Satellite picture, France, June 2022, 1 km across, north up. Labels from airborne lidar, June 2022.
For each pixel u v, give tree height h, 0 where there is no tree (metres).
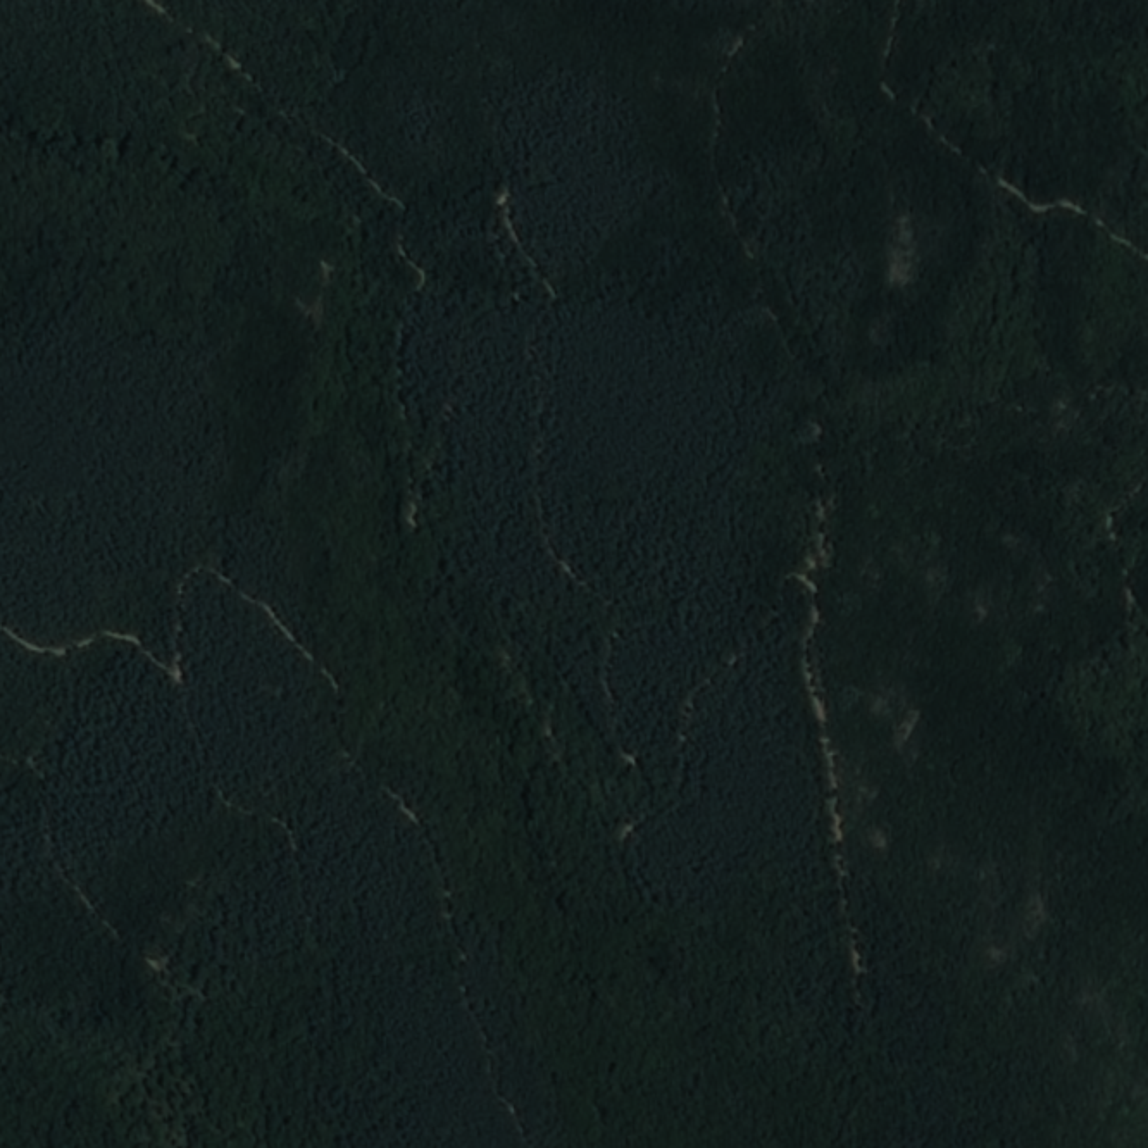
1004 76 10
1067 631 12
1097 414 10
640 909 14
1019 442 9
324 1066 14
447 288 9
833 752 8
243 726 13
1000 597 9
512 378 18
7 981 19
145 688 17
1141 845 10
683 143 10
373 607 12
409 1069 16
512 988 14
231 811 9
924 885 7
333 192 7
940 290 13
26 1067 11
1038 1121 11
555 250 13
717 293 16
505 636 10
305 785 11
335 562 18
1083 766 16
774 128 10
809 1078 19
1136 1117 8
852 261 17
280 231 10
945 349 6
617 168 16
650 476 14
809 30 10
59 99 10
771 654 15
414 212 9
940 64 16
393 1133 15
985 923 7
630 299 9
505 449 18
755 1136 20
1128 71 14
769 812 16
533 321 20
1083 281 13
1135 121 14
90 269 9
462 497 14
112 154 19
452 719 16
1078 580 13
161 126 15
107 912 14
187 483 14
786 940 18
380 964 14
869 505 9
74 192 16
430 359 15
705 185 10
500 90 11
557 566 16
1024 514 12
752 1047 17
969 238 10
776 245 16
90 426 13
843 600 11
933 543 12
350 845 17
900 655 6
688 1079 18
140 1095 9
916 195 7
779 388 15
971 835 7
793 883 19
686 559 14
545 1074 15
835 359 14
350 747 18
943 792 9
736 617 16
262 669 15
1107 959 10
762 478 13
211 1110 16
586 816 13
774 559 14
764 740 16
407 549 15
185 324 9
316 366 9
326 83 16
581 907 19
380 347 10
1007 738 13
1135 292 10
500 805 18
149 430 17
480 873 15
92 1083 10
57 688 14
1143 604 21
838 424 17
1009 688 14
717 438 15
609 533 17
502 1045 18
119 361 15
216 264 9
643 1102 18
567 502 13
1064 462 11
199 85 10
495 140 10
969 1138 14
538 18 7
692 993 19
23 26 7
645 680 13
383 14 15
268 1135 8
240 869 10
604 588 13
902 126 9
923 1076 14
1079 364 10
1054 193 11
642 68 6
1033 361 10
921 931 14
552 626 14
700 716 13
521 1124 15
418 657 13
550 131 16
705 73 6
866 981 12
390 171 12
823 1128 19
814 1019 10
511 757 15
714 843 16
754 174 18
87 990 12
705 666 15
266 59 14
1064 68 7
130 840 15
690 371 16
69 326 13
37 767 8
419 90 12
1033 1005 10
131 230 11
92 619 10
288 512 8
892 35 11
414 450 10
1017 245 12
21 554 6
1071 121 10
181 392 12
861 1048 15
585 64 7
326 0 18
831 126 12
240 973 16
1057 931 11
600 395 17
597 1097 15
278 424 10
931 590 6
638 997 14
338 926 8
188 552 16
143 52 11
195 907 13
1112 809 15
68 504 12
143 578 10
